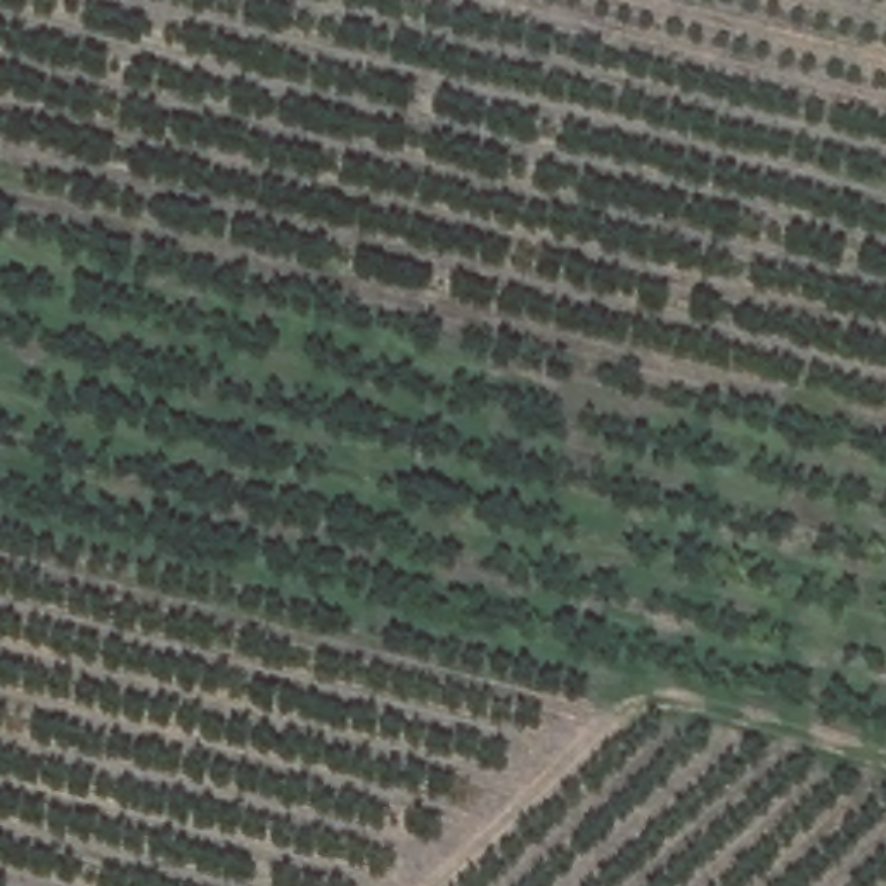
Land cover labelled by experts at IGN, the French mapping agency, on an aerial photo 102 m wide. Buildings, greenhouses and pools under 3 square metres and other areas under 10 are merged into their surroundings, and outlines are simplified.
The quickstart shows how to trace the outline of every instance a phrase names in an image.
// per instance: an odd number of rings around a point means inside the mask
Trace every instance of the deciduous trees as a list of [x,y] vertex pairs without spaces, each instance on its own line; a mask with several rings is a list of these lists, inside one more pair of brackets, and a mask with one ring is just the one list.
[[592,751],[592,758],[557,786],[554,796],[523,810],[519,824],[498,844],[488,844],[488,851],[474,865],[467,865],[450,886],[886,886],[886,0],[0,0],[0,886],[353,886],[360,865],[367,865],[374,876],[384,876],[395,865],[395,844],[408,834],[422,841],[440,838],[440,820],[457,803],[474,799],[474,786],[450,768],[453,754],[467,754],[485,768],[505,768],[505,751],[519,741],[526,727],[540,723],[540,703],[547,692],[588,699],[609,709],[623,723],[623,730],[606,737],[599,751]]

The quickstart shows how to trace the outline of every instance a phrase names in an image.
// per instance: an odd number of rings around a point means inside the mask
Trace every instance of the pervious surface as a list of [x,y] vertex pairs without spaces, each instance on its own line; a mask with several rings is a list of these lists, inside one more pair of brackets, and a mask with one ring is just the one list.
[[384,876],[374,876],[367,865],[360,865],[353,886],[450,886],[467,865],[474,865],[488,851],[488,844],[498,844],[519,824],[523,810],[554,796],[557,786],[592,758],[592,751],[599,751],[606,737],[623,730],[623,723],[609,709],[588,699],[547,692],[540,703],[540,723],[526,727],[519,741],[505,751],[505,768],[485,768],[467,754],[453,754],[450,768],[474,786],[474,799],[457,803],[440,820],[440,838],[422,841],[408,834],[395,844],[395,865]]

